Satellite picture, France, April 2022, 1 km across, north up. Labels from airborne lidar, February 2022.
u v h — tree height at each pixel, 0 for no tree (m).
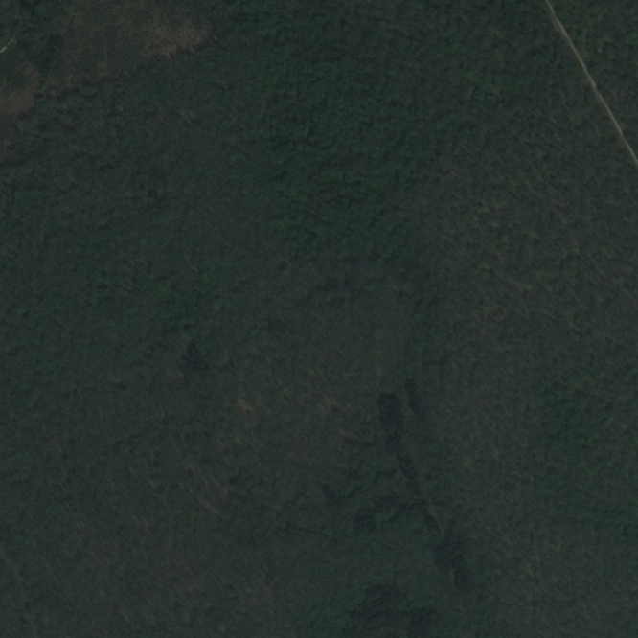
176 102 32
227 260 32
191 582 28
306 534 24
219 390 24
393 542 32
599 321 26
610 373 29
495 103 26
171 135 29
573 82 26
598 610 26
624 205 27
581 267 26
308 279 29
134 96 31
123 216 28
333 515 29
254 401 29
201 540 30
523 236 25
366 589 23
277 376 28
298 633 25
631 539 24
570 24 23
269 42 25
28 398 26
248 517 23
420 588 23
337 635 23
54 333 29
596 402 25
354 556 28
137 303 26
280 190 35
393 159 23
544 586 30
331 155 29
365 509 26
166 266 26
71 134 29
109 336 30
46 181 29
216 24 10
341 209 30
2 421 25
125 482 28
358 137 26
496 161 23
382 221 25
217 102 30
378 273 32
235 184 29
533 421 26
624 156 24
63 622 29
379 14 30
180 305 26
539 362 26
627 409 26
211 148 29
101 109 28
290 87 29
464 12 26
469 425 23
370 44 27
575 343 28
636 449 27
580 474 24
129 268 26
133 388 26
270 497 26
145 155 29
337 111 22
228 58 29
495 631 24
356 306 22
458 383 24
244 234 30
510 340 21
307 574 29
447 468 26
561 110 26
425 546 29
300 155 29
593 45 26
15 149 14
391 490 26
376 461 23
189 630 28
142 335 28
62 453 28
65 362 27
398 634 18
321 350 28
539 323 23
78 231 31
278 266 28
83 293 26
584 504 27
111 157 32
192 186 29
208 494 32
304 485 26
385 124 14
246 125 30
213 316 25
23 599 26
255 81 29
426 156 24
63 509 29
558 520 26
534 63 27
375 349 29
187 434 28
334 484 30
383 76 27
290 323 29
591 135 26
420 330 22
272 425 30
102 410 26
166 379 31
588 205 29
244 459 28
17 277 28
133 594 28
